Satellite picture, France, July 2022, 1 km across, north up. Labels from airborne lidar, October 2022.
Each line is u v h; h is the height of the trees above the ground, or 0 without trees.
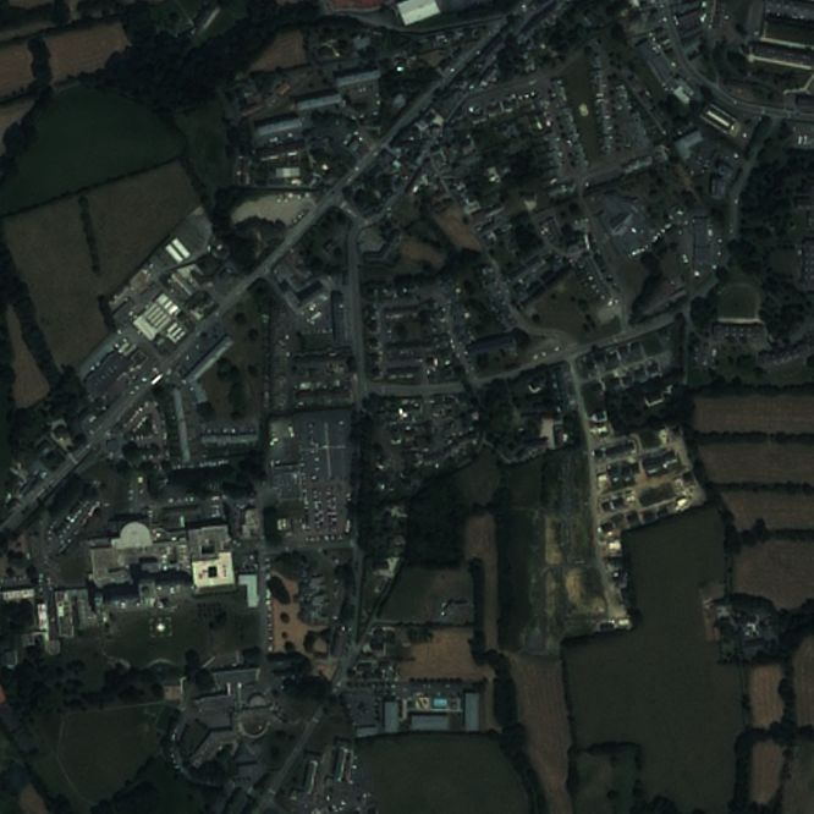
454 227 0
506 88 0
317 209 0
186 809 0
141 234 0
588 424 0
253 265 9
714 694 0
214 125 0
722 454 0
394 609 0
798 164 9
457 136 9
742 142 0
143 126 0
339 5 0
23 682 20
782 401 0
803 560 0
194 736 0
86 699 9
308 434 0
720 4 0
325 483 0
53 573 0
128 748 0
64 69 0
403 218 0
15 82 0
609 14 12
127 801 20
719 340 0
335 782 0
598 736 0
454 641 0
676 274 0
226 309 0
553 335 0
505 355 16
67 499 16
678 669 0
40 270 0
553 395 10
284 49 0
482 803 0
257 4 27
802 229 0
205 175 0
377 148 0
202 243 0
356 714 0
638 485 0
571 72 0
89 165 0
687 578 0
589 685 0
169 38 21
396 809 0
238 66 25
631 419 6
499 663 16
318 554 0
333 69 0
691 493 0
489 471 0
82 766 0
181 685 0
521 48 13
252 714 0
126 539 0
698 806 0
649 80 0
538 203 0
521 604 0
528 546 0
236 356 0
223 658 0
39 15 9
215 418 13
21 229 0
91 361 0
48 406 12
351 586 12
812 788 0
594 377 0
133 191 0
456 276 14
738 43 0
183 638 0
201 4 0
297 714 0
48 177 0
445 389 0
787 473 0
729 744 0
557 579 0
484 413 12
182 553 0
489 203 0
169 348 0
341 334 0
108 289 0
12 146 22
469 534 0
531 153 7
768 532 17
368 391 0
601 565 0
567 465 0
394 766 0
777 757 0
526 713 0
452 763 0
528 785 7
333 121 14
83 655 0
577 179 0
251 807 10
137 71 25
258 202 0
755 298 0
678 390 12
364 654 8
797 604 0
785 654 8
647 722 0
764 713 0
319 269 12
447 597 0
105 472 0
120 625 0
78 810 0
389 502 8
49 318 0
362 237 0
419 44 10
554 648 0
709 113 0
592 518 0
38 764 0
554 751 0
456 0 0
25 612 16
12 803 0
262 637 0
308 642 10
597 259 9
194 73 23
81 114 0
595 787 0
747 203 12
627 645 0
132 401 0
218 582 0
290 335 0
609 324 0
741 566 0
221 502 0
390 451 0
